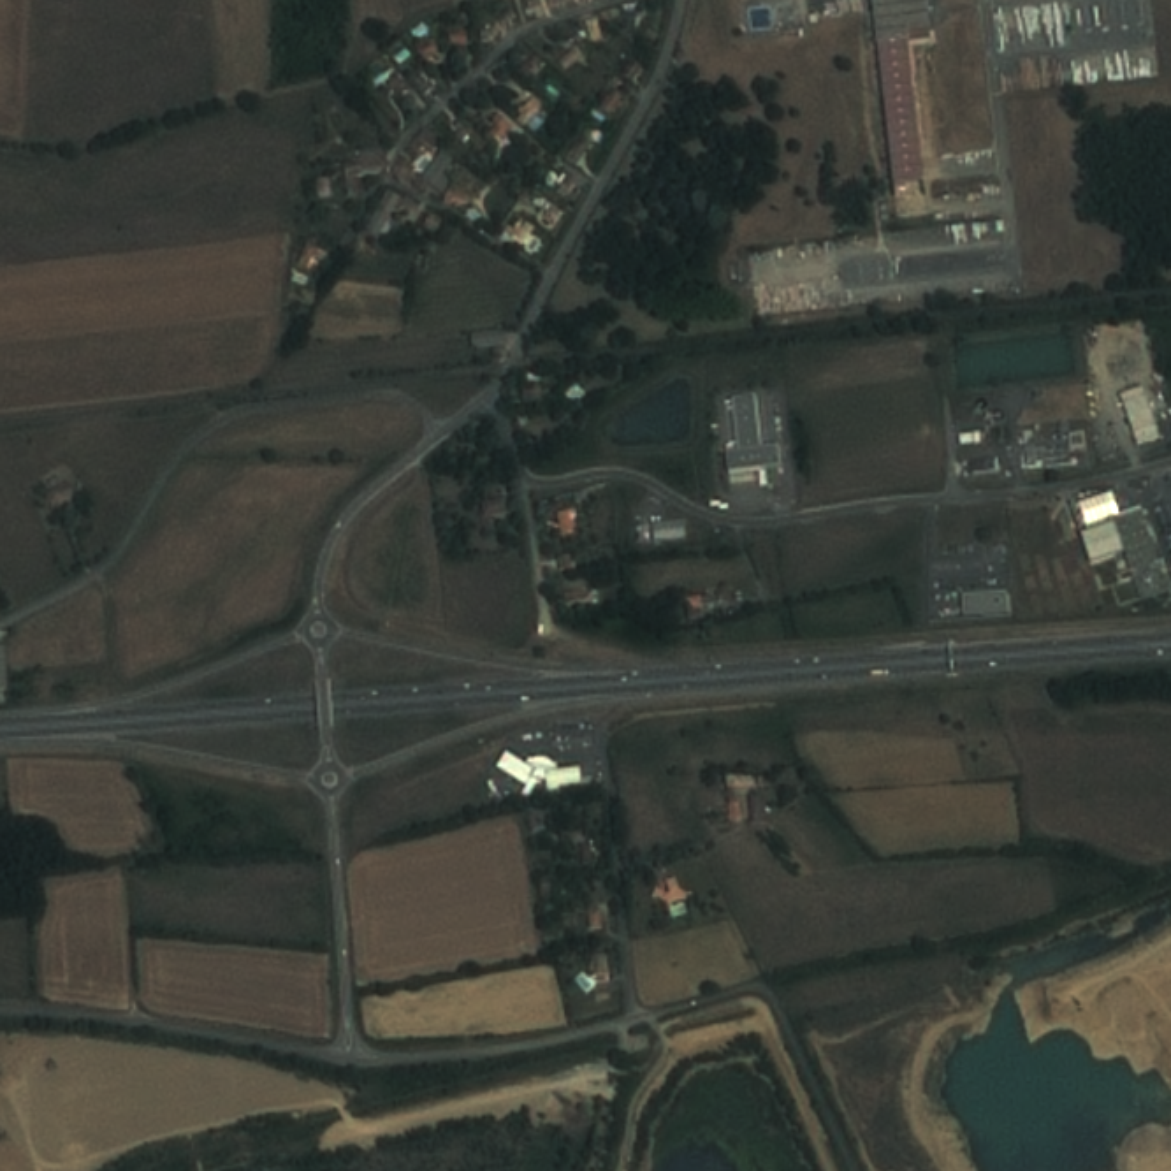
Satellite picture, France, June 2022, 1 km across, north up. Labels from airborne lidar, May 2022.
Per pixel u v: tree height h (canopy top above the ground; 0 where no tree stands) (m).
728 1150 0
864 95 0
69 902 0
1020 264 0
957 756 0
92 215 0
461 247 0
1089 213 15
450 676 0
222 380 0
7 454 0
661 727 0
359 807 0
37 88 0
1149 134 20
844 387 0
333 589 0
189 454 0
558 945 12
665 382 0
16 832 19
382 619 0
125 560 0
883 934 0
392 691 0
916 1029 0
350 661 0
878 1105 0
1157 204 20
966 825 0
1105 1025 0
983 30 0
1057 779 0
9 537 0
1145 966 0
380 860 0
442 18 7
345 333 0
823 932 0
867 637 0
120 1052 0
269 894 0
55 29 0
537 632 0
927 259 0
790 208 0
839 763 0
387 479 0
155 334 0
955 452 0
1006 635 0
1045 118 0
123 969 0
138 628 0
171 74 0
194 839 6
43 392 0
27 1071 0
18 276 0
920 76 0
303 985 0
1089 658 0
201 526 0
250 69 0
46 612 0
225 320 0
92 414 0
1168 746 0
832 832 0
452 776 0
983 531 11
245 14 0
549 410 7
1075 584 0
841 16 0
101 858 12
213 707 0
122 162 0
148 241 0
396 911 0
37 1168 0
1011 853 7
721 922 0
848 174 0
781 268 0
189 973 0
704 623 15
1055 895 0
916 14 0
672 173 25
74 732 0
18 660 0
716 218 24
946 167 0
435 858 0
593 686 0
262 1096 0
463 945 0
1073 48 0
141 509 0
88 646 0
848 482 0
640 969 0
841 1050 0
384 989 17
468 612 0
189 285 0
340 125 0
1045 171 0
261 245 0
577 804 8
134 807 0
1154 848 0
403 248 8
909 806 0
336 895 0
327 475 0
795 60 0
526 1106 9
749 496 0
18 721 0
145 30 0
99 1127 0
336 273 14
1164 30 0
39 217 0
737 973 0
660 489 0
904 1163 0
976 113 0
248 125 0
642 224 17
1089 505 0
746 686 0
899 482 0
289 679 0
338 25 6
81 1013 0
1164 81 0
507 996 0
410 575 0
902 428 0
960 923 0
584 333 21
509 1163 9
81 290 0
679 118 16
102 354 0
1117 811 0
